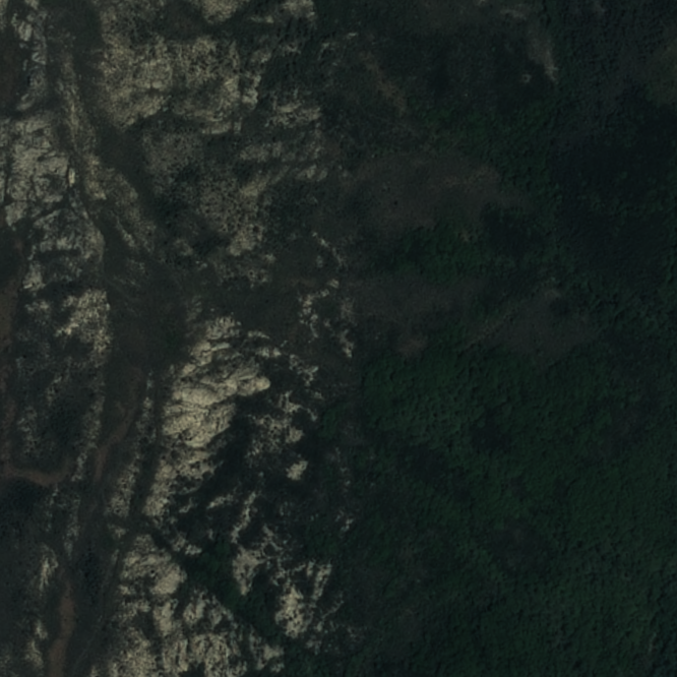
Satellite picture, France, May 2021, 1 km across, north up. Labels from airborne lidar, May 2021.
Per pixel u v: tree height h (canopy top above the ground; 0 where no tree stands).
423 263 14
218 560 11
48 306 0
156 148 0
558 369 15
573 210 9
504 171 8
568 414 16
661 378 17
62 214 0
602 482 16
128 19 7
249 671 8
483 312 8
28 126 0
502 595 10
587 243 7
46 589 0
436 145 8
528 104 8
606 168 10
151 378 0
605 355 11
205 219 0
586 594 26
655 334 10
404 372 14
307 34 14
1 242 0
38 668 0
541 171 18
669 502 14
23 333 0
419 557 7
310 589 6
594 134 6
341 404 11
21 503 6
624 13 11
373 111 6
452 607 10
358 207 6
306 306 0
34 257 0
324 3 7
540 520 18
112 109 0
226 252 0
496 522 15
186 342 0
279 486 7
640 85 7
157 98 0
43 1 0
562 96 17
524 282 10
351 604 10
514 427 14
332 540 10
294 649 20
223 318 0
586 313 5
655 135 9
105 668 0
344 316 0
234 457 7
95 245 0
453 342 8
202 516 6
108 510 0
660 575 18
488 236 9
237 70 9
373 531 6
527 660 24
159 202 6
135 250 0
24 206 0
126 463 0
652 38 9
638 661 8
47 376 0
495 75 6
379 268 7
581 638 21
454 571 10
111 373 0
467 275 6
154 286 0
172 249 0
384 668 8
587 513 25
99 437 0
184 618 0
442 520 16
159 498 0
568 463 16
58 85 0
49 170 0
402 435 10
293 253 0
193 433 0
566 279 16
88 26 0
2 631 0
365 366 8
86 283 0
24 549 0
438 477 7
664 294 16
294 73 9
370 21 6
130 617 0
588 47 11
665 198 13
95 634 0
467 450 23
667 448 18
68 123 0
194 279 0
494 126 8
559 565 16
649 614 21
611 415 12
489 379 18
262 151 0
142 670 0
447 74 6
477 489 21
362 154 9
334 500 6
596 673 18
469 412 20
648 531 17
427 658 9
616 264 14
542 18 9
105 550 0
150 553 0
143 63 0
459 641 18
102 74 0
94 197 0
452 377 13
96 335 0
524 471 16
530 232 13
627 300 21
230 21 6
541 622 24
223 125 0
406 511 8
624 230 11
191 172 7
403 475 11
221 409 0
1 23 0
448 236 9
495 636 24
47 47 0
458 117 6
